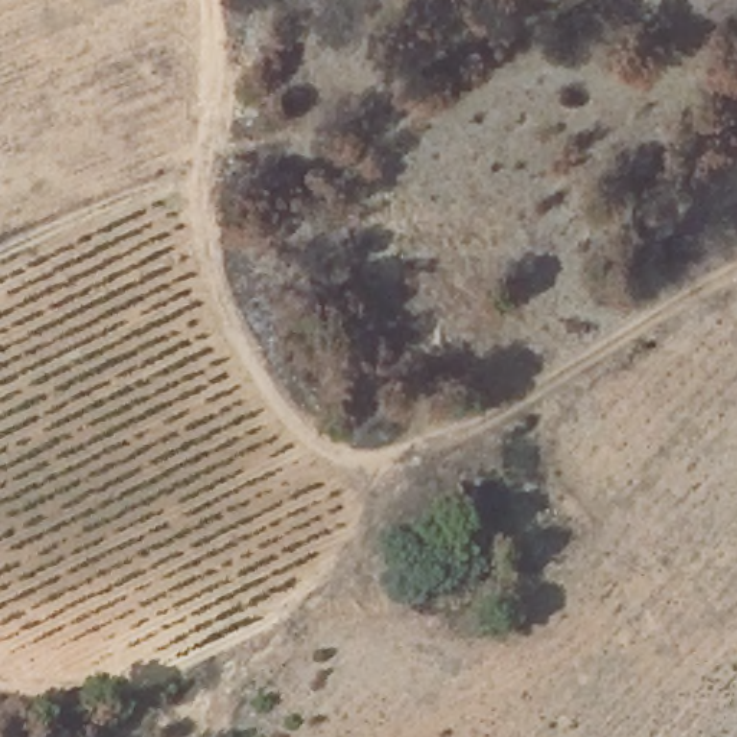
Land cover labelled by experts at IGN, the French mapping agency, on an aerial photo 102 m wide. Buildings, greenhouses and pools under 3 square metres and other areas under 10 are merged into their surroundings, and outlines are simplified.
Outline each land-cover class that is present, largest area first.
<instances>
[{"label":"vineyard","instance_id":"1","mask_svg":"<svg viewBox=\"0 0 737 737\"><path fill-rule=\"evenodd\" d=\"M239 78L227 63L222 9V0H0V691L37 697L55 688H75L98 674L130 677L135 662H158L187 671L216 656L285 622L305 593L320 587L331 576L343 544L363 533V510L366 495L383 487L389 475L369 472L363 466H334L325 458H305L279 466V458L294 449V440L288 443L282 435H271L268 426H256L265 400L242 360L236 357L227 334L222 331L219 314L207 302L196 299V294L190 291V279H196L202 271L199 259L184 253L181 248L153 250V242H164L184 230L181 213L187 207V199L181 193L184 178L193 170V161L176 164L173 153L178 147L193 144L196 135L207 138L210 124L216 118L227 121L230 127L242 107L236 98Z\"/></svg>","mask_w":737,"mask_h":737},{"label":"agricultural land","instance_id":"2","mask_svg":"<svg viewBox=\"0 0 737 737\"><path fill-rule=\"evenodd\" d=\"M587 386L564 383L553 392H544L535 383L533 392H527L521 400L484 412L478 415L487 432L426 452L420 466L403 469L409 475V489L386 507V515L380 510H363V533L343 544L331 576L320 587L305 593L285 622L216 656L222 668L219 682L207 691H196L190 700L176 705V711L181 720H193L204 731H245L248 737H737V331H731L728 325H717V314H708L700 322H682V328L671 334L662 345H656L654 340H636L633 345L610 357L593 360L582 369ZM461 489L475 501L478 527L469 533V538L481 547V556L492 553L495 535H507L512 541V567L518 573L515 593L498 596V602L507 607L510 628L515 633H510L501 642L455 639L443 619L392 602L383 587V530H389L392 524H417L429 507L440 504L443 498H455ZM438 423L423 397L415 403V423L406 435H417Z\"/></svg>","mask_w":737,"mask_h":737},{"label":"coniferous trees","instance_id":"3","mask_svg":"<svg viewBox=\"0 0 737 737\"><path fill-rule=\"evenodd\" d=\"M276 0H222V9L236 14H253L259 9H271ZM530 49H541L544 58L559 66H582L590 60L593 66L619 75L625 83H639L642 89H654V83L668 66H679L697 49L708 52V72L705 81L697 86L702 104L691 109L685 107L679 112V138L665 144H639L636 150L619 153L616 167L607 170L596 184L599 196L605 199L607 219L619 207L633 210L630 222L639 233V248L628 262L625 285L639 308L659 299L662 291L679 288L685 279L691 265H700L705 259V227L737 230V14L731 20H705L691 9L688 0H412L403 6L400 23H389L383 35H369L366 58L377 72H383V86H392V81L403 78V89L412 101L440 104V109L455 107L466 92L484 86L495 69H504ZM314 14L311 9H299L294 14L273 20L276 37L271 40V46L259 49L262 60L239 78L236 98L242 107L230 127L233 138L250 141L265 132H279L291 124V118L282 109V98L297 89L291 75L299 69L305 52L302 26ZM406 115L392 107L389 95L371 89L363 92L354 121L331 130V138L354 141L357 155L374 158L380 176H354L348 167H337L328 158L268 155L265 173L248 176L230 187L219 184L210 190V199L216 202L219 213V248L225 262V279L242 314V325L248 337L256 343L271 380L288 394L297 412L311 417L317 432L328 435L331 440L348 443L354 449H383L406 435L415 423V403L423 397L435 394L438 383L455 380L481 397L484 412L521 400L527 392H533L535 383L544 366L535 351H530L521 343L492 348L484 357H478L466 343H443L435 348V354L420 351V340L432 337L435 331V311L429 308L412 314L409 299L417 294V273H435L438 259H369L371 250H383L392 242V230L369 225L371 213L389 210V202H371L369 196L397 187L406 153H412L420 144V138L412 130L386 141V127ZM478 527L475 501L461 489L455 498H443L440 504L429 507L417 524H392L389 530H383V587L392 602L443 619L455 639L501 642L510 633H515L510 628L507 607L498 602V596L515 593L518 573L512 567V541L507 535H495L492 553L481 556V547L469 538V533ZM222 668L216 656L187 671L158 662H135L130 677L98 674L75 688H55L37 697L0 691V737H248L245 731H204L193 720H181L176 711V705L190 700L196 691H207L219 682Z\"/></svg>","mask_w":737,"mask_h":737},{"label":"herbaceous vegetation","instance_id":"4","mask_svg":"<svg viewBox=\"0 0 737 737\"><path fill-rule=\"evenodd\" d=\"M412 0H276L271 9H259L253 14H236L222 9L227 63L239 78L262 60L259 49L271 46V40L276 37L273 20L294 14L299 9H311L314 14L302 26L305 52L299 69L291 75L297 89L282 98V109L291 118V124L279 132H265L250 141L233 138L227 141V153L216 155L219 184L230 187L248 176L265 173L268 155L328 158L337 167H348L354 176H380L374 158L357 155L354 141L331 138V130L354 121L363 92L371 89L389 95L392 107L406 115L386 127V141L412 130L420 138V144L412 153H406L397 187L369 196L371 202H389V210L371 213L369 225L392 230V242L383 250H371L369 259H438L435 273H417V294L409 299L412 314L429 308L435 311V331L432 337L420 340V351L435 354V348L443 343H466L478 357H484L492 348L521 343L530 351H535L544 366L556 360L561 348H576L584 340V334L599 331L596 322L561 317V302L587 305L593 299L599 308L625 314H633L639 308L625 285L628 262L639 248V233L630 222L633 210L619 207L607 219L605 199L599 196L596 184L607 170L616 167L619 153L636 150L639 144H665L679 138V112L685 107L691 109L702 104L697 86L705 81L708 72V52L697 49L679 66H668L654 83V89H642L639 83H625L619 75L593 66L590 60L582 66H559L544 58L541 49H530L504 69H495L484 86L466 92L455 107L440 109V104L412 101L403 89V78L392 81V86H383V72H377L366 58L369 35H383L389 23H400L403 6ZM691 9L705 20H731L737 14V0H688ZM705 259L700 265H691L685 279L708 273L725 262L737 265V230L705 227ZM438 423L478 415L484 412L481 397L455 380L438 383L435 394L423 397Z\"/></svg>","mask_w":737,"mask_h":737},{"label":"pervious surface","instance_id":"5","mask_svg":"<svg viewBox=\"0 0 737 737\"><path fill-rule=\"evenodd\" d=\"M233 138L230 127L227 121L216 118L210 124L207 138L196 135L193 144L178 147L173 153L176 164L193 161V170L184 178L181 193L187 199V207L181 213L184 230L164 242H153V250L181 248L184 253L199 259L202 271L196 279H190V291L196 294V299L207 302L219 314L222 331L227 334L236 357L242 360L265 400L256 426H268L271 435H282L288 443L294 440V449L279 458V466L305 458H325L334 466H363L369 472L389 475L403 469L420 466L426 452L487 432L478 415L438 423L417 435H406L383 449H354L348 443L331 440L328 435L317 432L311 417L297 412L288 394L271 380L256 343L248 337L242 325V314L225 279V262L219 248V213L216 202L210 199V190L219 184L216 155L227 153V141ZM561 317L596 322L599 331L584 334V340L576 348H561L556 360L544 366L535 383L544 392H553L564 383L587 386L582 369L593 360L610 357L633 345L636 340H654L656 345H662L671 334L682 328V322H700L708 314H717V325H728L731 331H737V265L725 262L708 273L685 279L679 288L662 291L659 299L639 308L633 314H625L599 308L593 299L587 305L561 302Z\"/></svg>","mask_w":737,"mask_h":737},{"label":"brushwood","instance_id":"6","mask_svg":"<svg viewBox=\"0 0 737 737\"><path fill-rule=\"evenodd\" d=\"M409 489V475L403 469L389 475L383 487L366 495L363 510H380L386 515V507Z\"/></svg>","mask_w":737,"mask_h":737}]
</instances>
